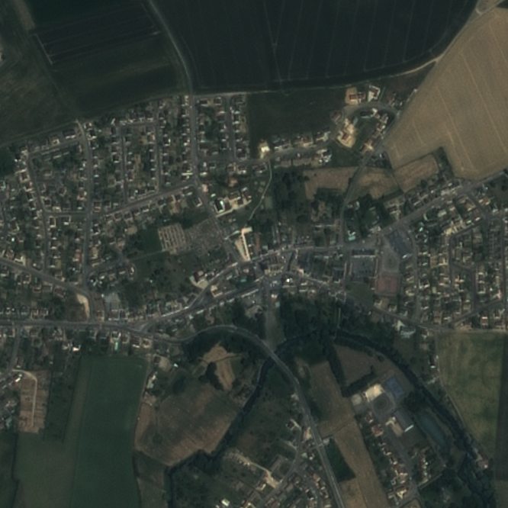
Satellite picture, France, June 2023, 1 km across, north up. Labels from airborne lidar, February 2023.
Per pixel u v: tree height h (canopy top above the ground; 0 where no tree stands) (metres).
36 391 0
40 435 0
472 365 0
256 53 0
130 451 0
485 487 11
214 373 14
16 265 0
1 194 0
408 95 0
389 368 0
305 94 0
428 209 0
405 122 0
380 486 0
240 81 0
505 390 0
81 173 0
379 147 0
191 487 8
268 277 0
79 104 0
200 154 0
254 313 0
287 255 0
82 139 0
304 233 0
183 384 9
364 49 0
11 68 0
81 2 0
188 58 0
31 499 0
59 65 0
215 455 10
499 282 0
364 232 9
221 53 0
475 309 0
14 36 0
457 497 0
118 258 12
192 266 0
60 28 0
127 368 0
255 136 0
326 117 0
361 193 0
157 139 0
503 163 0
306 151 0
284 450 0
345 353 0
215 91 0
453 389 0
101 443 0
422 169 0
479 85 0
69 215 0
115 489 0
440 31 0
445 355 0
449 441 12
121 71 0
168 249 0
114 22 0
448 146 0
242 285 7
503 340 0
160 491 0
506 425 0
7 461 0
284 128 0
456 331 0
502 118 0
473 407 0
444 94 0
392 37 0
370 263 0
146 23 0
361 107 0
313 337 19
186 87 0
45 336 9
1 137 0
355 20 0
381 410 0
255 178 0
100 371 0
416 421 15
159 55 0
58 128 0
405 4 0
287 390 0
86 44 0
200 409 0
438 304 0
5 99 0
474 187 0
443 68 0
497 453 0
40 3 0
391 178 0
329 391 0
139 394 0
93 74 0
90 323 0
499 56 0
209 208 0
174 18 0
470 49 0
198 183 0
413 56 0
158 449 0
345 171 0
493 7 0
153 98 0
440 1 0
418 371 0
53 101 0
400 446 0
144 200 0
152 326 0
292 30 0
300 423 6
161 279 0
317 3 0
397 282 0
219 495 0
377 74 0
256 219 8
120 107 0
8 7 0
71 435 0
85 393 0
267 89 0
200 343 18
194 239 0
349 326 28
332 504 0
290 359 14
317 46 0
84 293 0
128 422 0
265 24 0
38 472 0
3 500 0
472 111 0
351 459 0
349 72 0
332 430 0
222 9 0
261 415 0
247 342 8
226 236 0
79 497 0
